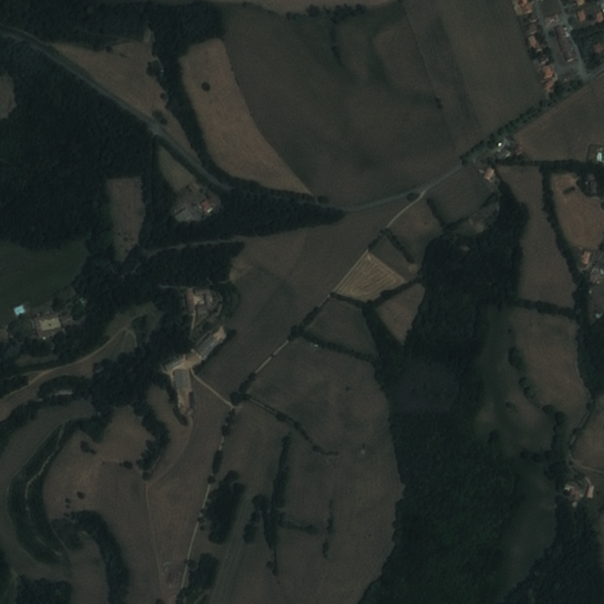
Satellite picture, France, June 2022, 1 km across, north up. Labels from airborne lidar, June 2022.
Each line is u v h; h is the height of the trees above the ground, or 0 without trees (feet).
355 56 0
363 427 0
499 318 0
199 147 52
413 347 31
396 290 25
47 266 0
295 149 0
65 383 48
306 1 0
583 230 0
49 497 0
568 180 0
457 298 46
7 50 67
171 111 43
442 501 54
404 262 0
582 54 38
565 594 52
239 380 0
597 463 0
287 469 26
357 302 34
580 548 43
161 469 0
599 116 0
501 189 38
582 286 45
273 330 0
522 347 0
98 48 31
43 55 64
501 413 0
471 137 0
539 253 0
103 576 0
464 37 0
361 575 0
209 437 0
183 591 37
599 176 40
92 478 0
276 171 0
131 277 47
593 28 41
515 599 88
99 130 67
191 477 0
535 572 71
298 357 0
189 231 63
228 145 0
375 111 0
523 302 27
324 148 0
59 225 65
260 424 0
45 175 69
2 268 0
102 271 81
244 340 0
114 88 0
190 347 41
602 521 0
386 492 0
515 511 27
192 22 85
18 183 54
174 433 0
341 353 24
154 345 52
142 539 0
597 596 49
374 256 0
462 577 60
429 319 27
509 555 0
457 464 68
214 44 0
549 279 0
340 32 0
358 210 0
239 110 0
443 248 67
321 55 0
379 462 0
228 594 0
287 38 0
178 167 0
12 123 41
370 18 0
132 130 40
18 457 0
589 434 0
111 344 0
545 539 0
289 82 0
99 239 92
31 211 62
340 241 0
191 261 58
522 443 0
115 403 73
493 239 54
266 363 0
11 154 39
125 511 0
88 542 0
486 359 0
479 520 58
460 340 46
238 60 0
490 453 67
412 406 0
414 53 0
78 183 61
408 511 62
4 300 0
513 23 0
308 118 0
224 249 48
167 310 96
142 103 0
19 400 0
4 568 89
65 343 65
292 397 0
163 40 64
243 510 0
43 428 0
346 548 0
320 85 0
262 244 0
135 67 0
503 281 64
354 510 0
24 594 55
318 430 0
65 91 53
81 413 0
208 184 22
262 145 0
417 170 0
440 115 0
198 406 0
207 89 20
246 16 0
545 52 27
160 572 0
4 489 0
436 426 55
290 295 0
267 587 0
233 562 0
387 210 0
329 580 0
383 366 49
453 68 0
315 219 52
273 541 53
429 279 46
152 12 69
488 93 0
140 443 0
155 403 0
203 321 0
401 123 0
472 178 0
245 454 0
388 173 0
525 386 41
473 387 68
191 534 0
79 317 34
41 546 0
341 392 0
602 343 19
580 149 0
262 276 0
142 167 58
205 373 0
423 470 71
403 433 52
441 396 31
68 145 56
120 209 0
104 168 64
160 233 71
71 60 0
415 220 0
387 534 0
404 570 57
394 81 0
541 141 0
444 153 0
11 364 48
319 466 0
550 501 0
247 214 59
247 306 0
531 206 0
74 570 0
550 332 0
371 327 47
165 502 0
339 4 0
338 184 0
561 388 0
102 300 58
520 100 0
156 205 73
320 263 0
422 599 59
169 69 43
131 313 0
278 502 52
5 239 65
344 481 0
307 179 0
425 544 68
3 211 61
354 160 0
